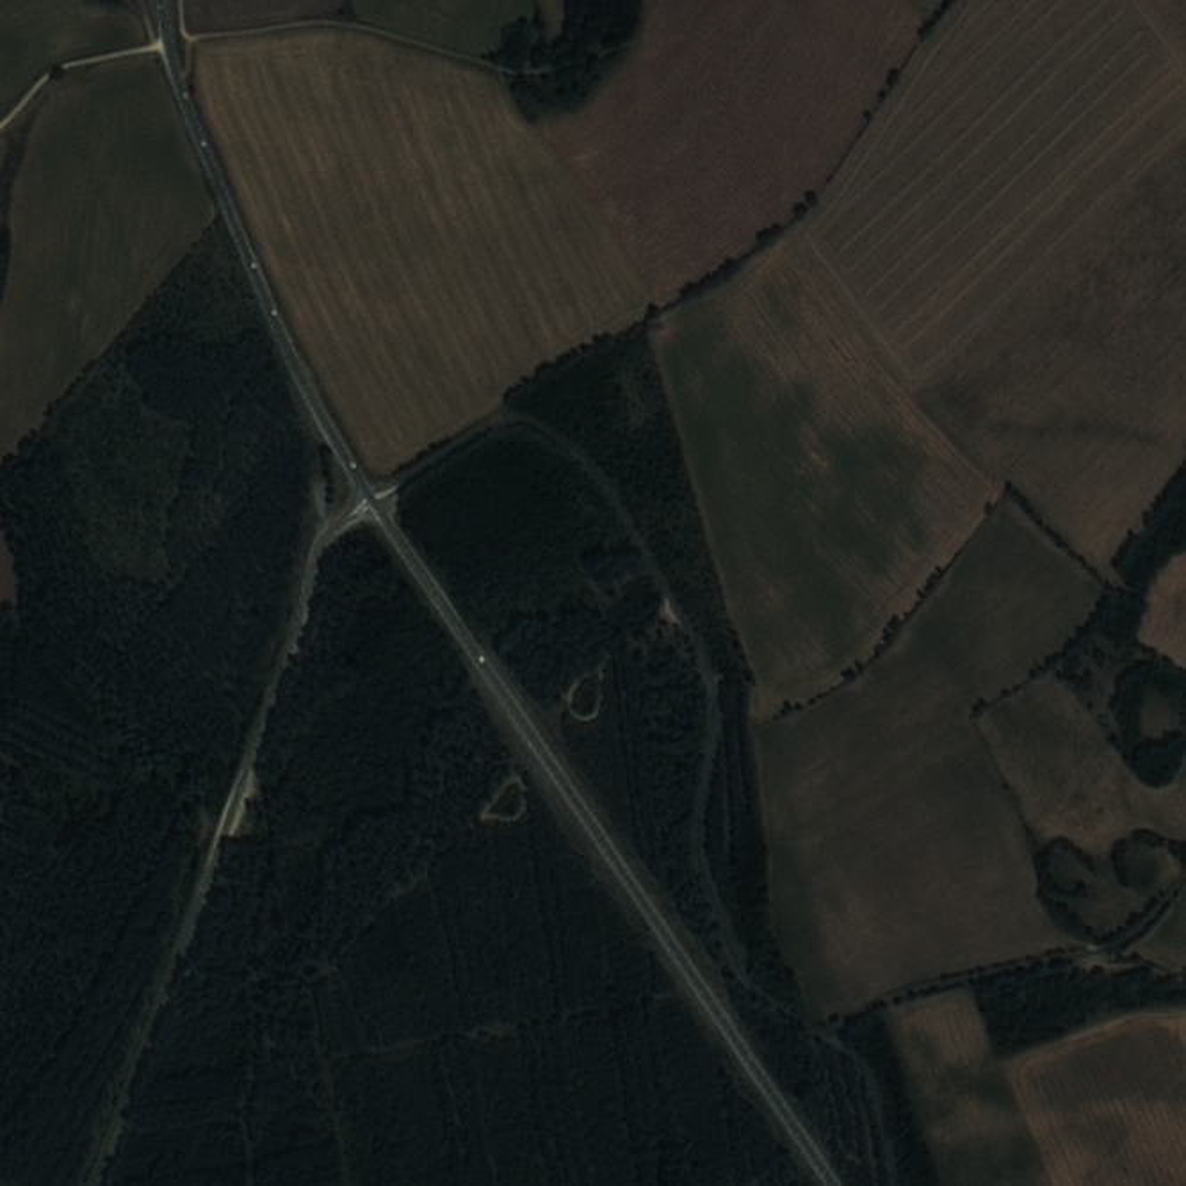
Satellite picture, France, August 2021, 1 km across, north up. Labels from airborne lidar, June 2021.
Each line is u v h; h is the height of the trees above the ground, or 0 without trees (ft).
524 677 52
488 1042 20
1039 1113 0
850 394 0
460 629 0
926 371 0
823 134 0
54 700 38
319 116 0
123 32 0
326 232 0
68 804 22
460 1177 35
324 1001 34
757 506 0
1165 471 0
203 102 0
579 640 49
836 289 0
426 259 0
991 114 0
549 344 0
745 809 50
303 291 0
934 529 0
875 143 0
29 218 0
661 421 19
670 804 50
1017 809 0
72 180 0
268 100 0
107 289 0
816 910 0
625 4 51
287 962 48
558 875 41
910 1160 22
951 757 0
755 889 57
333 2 0
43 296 0
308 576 0
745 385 0
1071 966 21
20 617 32
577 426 26
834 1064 41
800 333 0
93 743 35
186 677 45
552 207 0
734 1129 37
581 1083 33
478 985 43
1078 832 0
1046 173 0
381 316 0
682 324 0
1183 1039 0
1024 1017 42
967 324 0
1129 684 42
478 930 26
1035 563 0
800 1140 0
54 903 62
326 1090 44
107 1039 34
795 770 0
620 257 0
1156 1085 0
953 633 0
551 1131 35
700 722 55
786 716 34
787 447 0
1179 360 0
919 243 0
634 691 44
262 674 50
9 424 0
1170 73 0
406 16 0
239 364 35
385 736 27
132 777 43
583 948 51
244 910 48
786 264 0
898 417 0
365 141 0
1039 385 0
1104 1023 0
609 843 0
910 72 0
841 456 0
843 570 0
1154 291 0
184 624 39
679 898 48
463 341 0
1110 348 0
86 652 55
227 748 51
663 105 0
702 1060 23
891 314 0
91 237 0
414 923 18
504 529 33
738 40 0
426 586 0
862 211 0
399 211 0
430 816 52
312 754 25
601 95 0
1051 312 0
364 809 17
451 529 29
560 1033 32
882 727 0
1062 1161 0
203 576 38
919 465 0
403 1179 17
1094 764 0
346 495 0
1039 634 0
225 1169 29
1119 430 0
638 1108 39
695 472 0
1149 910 26
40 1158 38
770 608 0
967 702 0
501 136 0
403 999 31
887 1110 25
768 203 0
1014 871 0
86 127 0
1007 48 0
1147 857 0
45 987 66
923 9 0
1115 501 0
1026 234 0
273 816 49
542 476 35
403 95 0
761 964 42
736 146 0
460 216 0
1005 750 0
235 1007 27
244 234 0
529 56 33
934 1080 0
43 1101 52
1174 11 0
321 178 0
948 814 0
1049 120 0
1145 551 41
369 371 0
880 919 0
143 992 35
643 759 42
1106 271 0
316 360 0
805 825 0
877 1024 33
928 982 0
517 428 26
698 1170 23
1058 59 0
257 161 0
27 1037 72
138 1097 44
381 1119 41
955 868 0
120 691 52
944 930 0
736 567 0
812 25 0
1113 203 0
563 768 0
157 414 34
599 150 0
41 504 59
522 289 0
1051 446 0
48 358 0
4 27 0
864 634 0
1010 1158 0
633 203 0
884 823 0
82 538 35
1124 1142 0
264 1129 32
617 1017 37
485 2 0
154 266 0
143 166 0
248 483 29
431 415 0
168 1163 40
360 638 24
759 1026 22
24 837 50
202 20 0
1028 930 0
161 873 64
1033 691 0
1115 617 41
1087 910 0
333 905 42
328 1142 24
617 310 0
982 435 0
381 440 0
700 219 0
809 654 0
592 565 53
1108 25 0
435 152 0
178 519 36
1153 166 0
